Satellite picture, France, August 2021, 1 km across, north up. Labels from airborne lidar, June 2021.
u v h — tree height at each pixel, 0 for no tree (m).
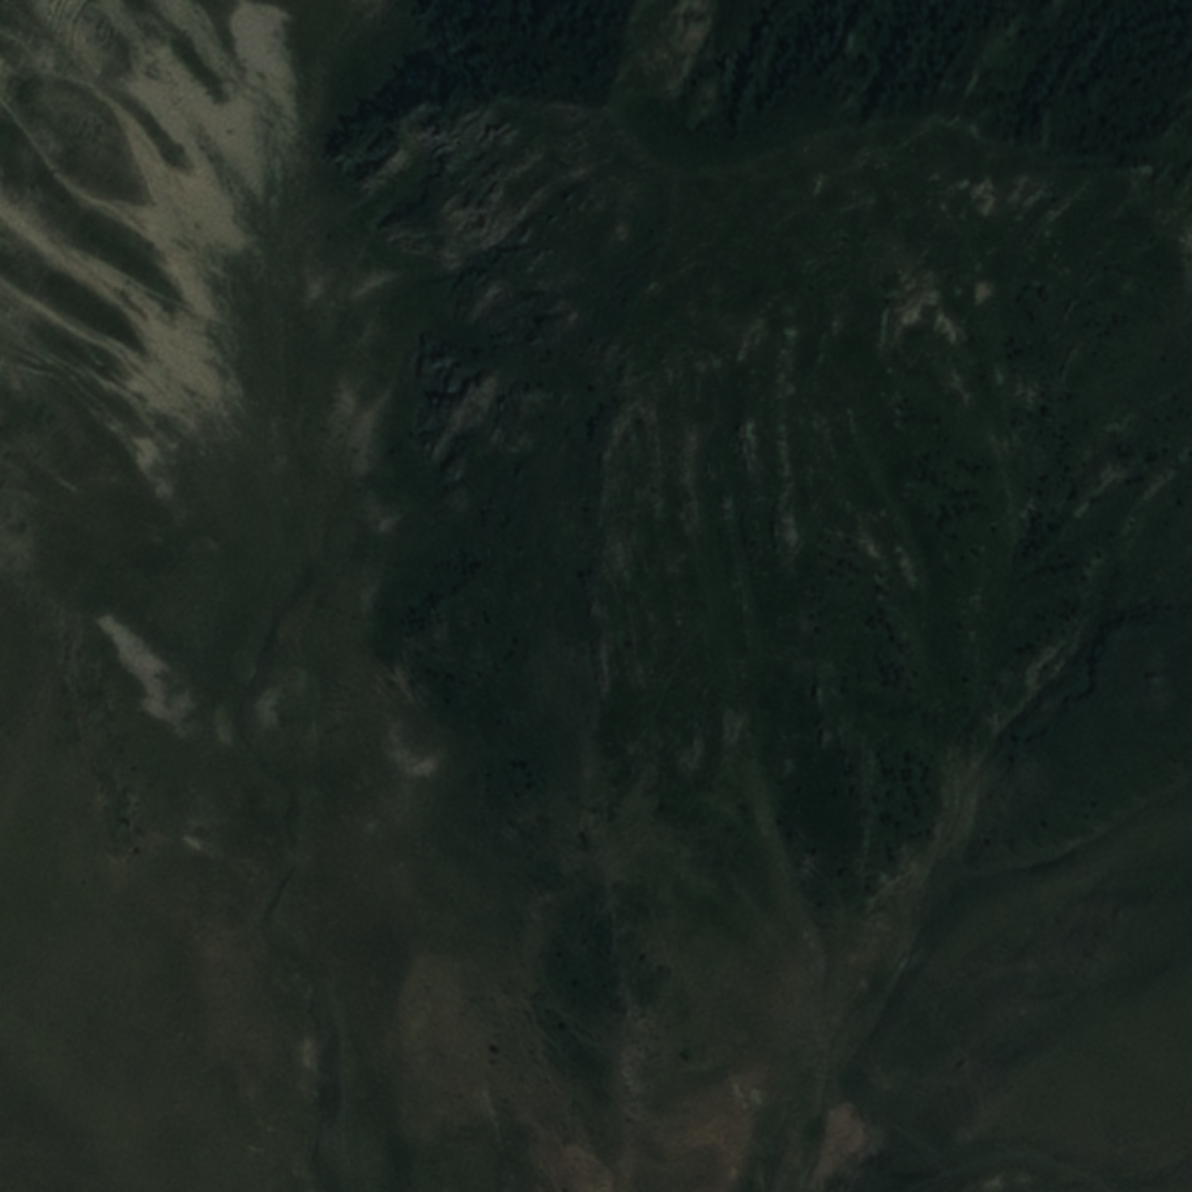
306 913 0
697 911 0
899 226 0
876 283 0
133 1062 0
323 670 0
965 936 0
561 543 0
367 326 0
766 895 0
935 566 0
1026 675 0
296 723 0
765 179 0
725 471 0
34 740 0
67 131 0
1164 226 0
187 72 0
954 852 0
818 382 0
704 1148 0
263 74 0
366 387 0
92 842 0
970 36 7
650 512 0
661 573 0
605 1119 0
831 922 0
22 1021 0
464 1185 0
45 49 0
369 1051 0
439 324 0
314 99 0
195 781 0
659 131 0
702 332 0
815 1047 0
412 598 0
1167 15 6
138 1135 0
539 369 0
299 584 0
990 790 0
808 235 0
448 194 0
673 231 0
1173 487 0
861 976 0
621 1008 0
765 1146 0
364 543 0
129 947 0
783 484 0
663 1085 0
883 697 0
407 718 0
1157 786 0
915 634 0
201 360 0
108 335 0
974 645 0
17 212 0
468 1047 0
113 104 0
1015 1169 0
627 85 0
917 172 0
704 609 0
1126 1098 0
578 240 0
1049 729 0
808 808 0
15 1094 0
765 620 0
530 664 0
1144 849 0
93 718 0
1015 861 0
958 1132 0
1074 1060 0
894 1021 0
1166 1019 0
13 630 0
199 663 0
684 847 0
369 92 0
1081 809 0
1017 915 0
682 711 0
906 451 0
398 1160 0
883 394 0
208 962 0
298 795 0
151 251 0
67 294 0
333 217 0
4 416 0
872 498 0
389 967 0
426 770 0
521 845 0
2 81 0
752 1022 0
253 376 0
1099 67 8
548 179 0
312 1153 0
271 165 0
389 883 0
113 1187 0
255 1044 0
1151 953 0
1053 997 0
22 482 0
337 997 0
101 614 0
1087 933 0
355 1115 0
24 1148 0
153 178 0
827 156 0
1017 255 0
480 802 0
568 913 0
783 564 0
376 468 0
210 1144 0
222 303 0
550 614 0
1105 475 0
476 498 0
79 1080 0
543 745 0
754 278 0
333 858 0
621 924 0
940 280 0
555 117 0
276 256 0
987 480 0
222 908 0
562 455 0
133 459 0
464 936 0
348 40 0
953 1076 0
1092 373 0
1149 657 0
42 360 0
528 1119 0
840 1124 0
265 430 0
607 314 0
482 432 0
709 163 0
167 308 0
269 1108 0
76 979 0
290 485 0
